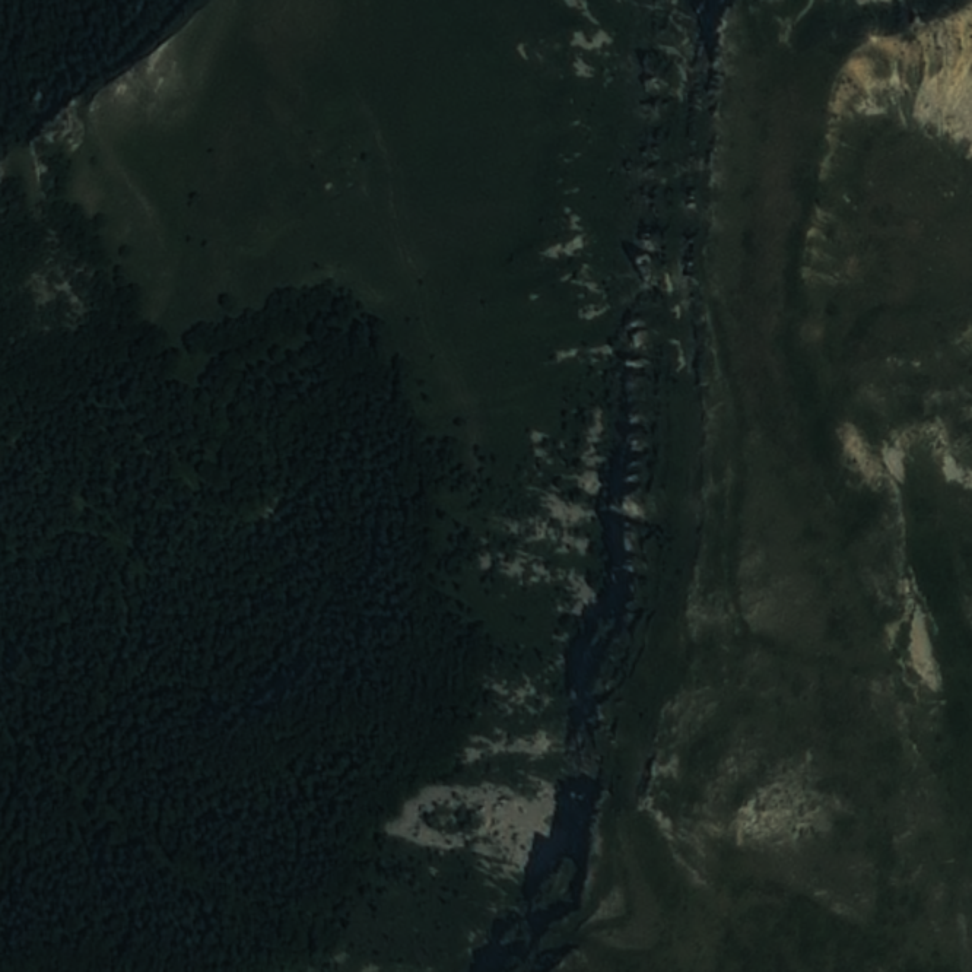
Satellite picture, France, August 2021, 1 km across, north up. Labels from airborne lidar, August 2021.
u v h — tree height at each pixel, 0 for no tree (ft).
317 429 62
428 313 0
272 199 0
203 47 0
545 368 0
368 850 20
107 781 73
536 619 0
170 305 0
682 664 0
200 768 76
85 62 44
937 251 0
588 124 0
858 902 0
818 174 0
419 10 0
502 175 0
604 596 0
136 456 73
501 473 0
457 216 0
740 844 0
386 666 57
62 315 27
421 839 0
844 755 0
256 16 0
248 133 0
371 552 52
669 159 0
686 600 0
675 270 0
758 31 0
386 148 0
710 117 0
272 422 57
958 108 0
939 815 0
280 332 57
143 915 47
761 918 0
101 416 105
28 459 54
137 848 63
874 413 0
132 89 0
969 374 0
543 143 0
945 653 0
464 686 36
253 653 69
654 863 0
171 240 0
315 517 22
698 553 0
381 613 71
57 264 23
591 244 0
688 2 0
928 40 0
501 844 0
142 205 0
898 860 0
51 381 64
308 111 0
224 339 51
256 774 54
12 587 75
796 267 0
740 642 0
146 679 50
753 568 0
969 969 0
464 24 0
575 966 0
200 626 52
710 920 0
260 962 23
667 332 0
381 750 63
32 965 70
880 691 0
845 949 0
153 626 95
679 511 0
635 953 0
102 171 0
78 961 52
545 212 0
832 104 0
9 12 66
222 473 61
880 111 0
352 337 23
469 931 0
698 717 0
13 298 30
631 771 0
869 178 0
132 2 63
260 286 0
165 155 0
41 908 43
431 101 0
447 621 48
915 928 0
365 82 0
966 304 0
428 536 52
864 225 0
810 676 0
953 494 0
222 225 0
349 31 0
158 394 59
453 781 36
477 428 0
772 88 0
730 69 0
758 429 0
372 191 0
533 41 0
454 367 0
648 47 0
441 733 55
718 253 0
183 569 37
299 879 46
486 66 0
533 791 0
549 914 0
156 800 90
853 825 0
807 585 0
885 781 0
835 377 0
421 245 0
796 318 0
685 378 0
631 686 0
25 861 50
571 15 0
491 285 0
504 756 0
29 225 32
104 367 61
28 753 71
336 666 67
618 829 0
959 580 0
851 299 0
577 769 0
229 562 69
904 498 0
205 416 50
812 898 0
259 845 46
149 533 57
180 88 0
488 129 0
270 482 49
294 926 61
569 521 0
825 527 0
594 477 0
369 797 65
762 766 0
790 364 0
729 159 0
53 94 32
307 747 50
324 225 0
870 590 0
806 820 0
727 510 0
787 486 0
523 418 0
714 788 0
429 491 36
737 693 0
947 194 0
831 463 0
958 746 0
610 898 0
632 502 0
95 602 64
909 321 0
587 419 33
